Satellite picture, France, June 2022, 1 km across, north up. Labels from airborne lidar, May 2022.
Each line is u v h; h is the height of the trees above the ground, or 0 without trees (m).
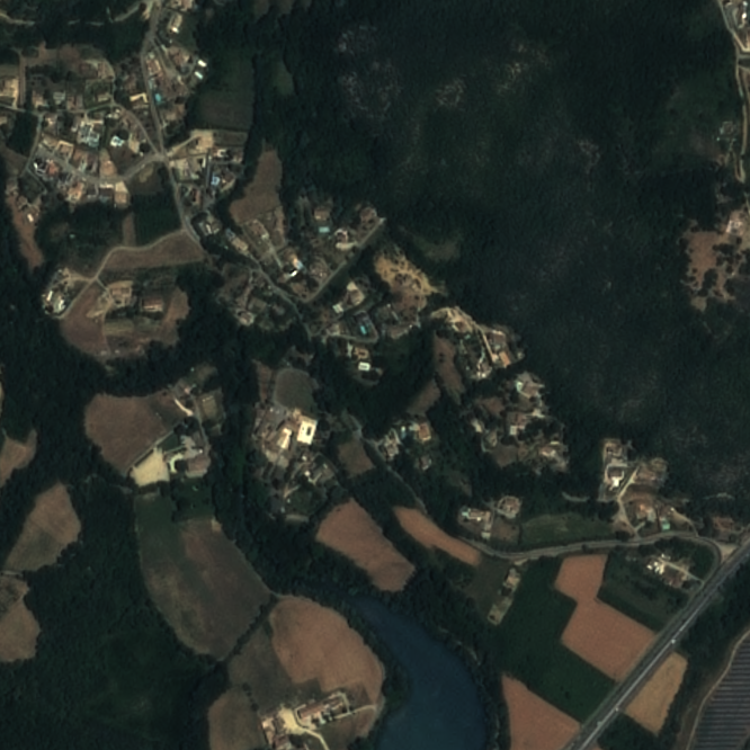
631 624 0
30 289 10
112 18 8
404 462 14
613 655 0
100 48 9
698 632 13
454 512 11
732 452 6
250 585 0
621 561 8
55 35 16
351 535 0
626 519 0
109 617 12
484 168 6
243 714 0
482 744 0
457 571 9
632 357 6
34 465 19
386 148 10
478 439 12
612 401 8
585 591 0
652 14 12
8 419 15
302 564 13
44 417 21
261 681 0
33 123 9
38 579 16
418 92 6
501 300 6
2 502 9
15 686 15
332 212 8
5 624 0
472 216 12
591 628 0
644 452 17
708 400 7
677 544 11
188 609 0
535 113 7
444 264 6
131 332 0
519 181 9
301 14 16
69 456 10
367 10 12
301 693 0
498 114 7
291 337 19
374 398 8
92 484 8
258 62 18
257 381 12
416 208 12
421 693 0
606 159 13
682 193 14
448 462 8
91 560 8
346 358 8
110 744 11
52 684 14
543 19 10
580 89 10
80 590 11
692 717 0
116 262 0
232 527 13
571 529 0
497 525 0
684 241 11
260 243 0
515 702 0
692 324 11
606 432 14
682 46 14
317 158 6
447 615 10
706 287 7
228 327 21
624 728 7
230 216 7
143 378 9
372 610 0
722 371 8
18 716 13
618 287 8
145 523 0
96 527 13
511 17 8
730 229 0
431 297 9
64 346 11
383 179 7
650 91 14
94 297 0
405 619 0
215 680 21
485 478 20
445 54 7
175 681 6
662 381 8
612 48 9
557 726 0
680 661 0
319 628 0
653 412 7
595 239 6
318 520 11
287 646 0
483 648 16
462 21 7
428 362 18
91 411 0
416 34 9
